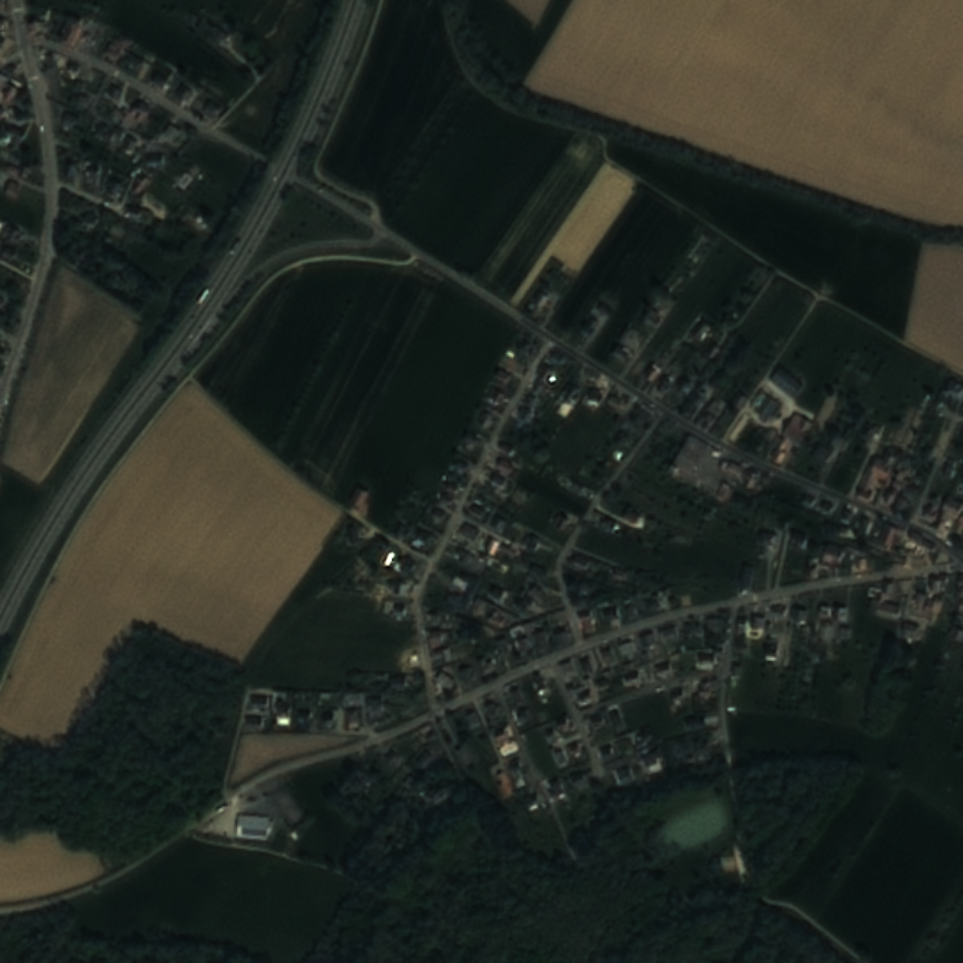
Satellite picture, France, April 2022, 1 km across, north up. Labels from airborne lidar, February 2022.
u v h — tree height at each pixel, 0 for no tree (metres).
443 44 0
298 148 0
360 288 0
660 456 11
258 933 0
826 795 28
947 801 0
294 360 0
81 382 0
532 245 0
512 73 15
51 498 0
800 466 0
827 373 0
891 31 0
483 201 0
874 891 0
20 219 0
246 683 15
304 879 0
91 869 0
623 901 18
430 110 0
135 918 0
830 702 0
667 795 29
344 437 0
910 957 0
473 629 19
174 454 0
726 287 0
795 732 0
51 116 0
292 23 0
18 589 0
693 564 0
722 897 16
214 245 11
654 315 0
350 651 0
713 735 0
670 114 0
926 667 0
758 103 0
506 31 0
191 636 0
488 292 0
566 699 0
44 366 0
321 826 0
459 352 0
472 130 0
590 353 0
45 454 0
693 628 0
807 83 0
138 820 27
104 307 0
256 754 0
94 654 0
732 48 0
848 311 0
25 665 0
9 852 0
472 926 22
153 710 31
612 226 0
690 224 0
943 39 0
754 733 0
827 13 0
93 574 0
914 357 0
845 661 0
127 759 31
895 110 0
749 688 0
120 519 0
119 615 0
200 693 33
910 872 0
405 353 0
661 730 0
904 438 0
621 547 0
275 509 0
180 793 24
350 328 0
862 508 0
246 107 0
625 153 0
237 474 0
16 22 0
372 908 12
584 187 0
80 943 14
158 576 0
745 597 0
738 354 19
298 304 0
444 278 0
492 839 25
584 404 0
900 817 0
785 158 0
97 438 0
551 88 0
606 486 0
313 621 0
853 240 0
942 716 0
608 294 0
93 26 0
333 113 12
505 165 0
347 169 0
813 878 0
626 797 15
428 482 0
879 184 0
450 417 0
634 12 0
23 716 0
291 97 12
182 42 0
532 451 14
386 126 0
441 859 24
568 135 0
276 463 0
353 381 0
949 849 0
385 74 0
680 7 0
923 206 0
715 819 0
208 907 0
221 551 0
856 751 0
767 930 28
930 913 0
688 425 0
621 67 0
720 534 0
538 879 24
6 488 0
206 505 0
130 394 0
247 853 0
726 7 0
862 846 0
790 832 32
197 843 0
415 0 0
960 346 0
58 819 16
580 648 0
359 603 0
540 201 0
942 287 0
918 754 0
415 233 0
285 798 0
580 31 0
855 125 0
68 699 0
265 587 0
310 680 0
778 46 0
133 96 9
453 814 23
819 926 0
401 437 0
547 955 18
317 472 0
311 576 0
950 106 0
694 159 12
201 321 0
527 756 0
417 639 0
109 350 0
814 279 0
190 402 0
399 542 0
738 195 0
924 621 0
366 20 0
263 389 0
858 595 0
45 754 28
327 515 0
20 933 8
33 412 0
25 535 0
